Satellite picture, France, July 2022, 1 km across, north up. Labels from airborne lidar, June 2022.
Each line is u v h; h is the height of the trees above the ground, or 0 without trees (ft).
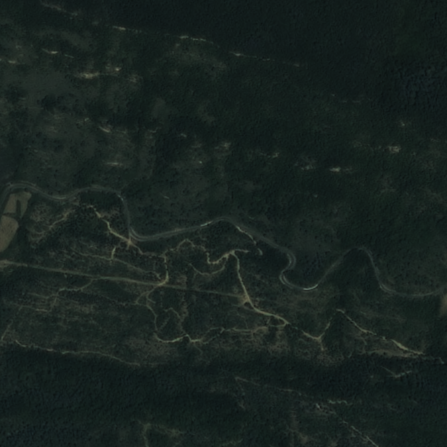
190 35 20
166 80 31
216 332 24
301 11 48
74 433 21
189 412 26
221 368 20
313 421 29
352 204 33
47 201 17
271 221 19
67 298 26
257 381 20
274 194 43
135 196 24
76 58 22
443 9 20
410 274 20
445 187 31
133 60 27
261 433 31
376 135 28
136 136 32
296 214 26
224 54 33
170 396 46
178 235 18
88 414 24
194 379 30
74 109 26
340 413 30
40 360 39
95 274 22
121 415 26
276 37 18
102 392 24
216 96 26
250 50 35
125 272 21
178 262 23
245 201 30
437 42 27
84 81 24
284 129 35
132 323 24
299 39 37
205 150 26
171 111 23
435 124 25
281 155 20
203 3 24
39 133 29
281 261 49
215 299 26
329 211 21
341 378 30
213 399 35
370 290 35
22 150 33
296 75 33
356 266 38
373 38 43
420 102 47
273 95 28
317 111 31
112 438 19
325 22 31
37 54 27
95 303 20
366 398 20
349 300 21
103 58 34
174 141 34
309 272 28
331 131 25
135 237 0
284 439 49
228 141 21
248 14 35
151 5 31
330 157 44
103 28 25
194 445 25
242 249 27
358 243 48
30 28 21
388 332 18
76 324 27
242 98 33
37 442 26
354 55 46
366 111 33
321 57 32
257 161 44
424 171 30
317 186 45
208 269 23
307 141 50
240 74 37
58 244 31
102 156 25
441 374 46
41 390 26
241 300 0
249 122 40
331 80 35
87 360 33
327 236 32
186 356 45
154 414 34
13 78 0
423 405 23
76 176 40
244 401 33
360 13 41
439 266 24
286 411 27
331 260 23
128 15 31
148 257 27
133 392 27
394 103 42
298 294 18
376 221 45
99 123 26
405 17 25
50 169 28
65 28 28
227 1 29
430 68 51
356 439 20
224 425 40
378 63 34
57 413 42
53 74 0
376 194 36
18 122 29
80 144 31
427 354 34
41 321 24
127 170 25
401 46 22
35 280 24
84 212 41
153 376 20
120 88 20
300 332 36
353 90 33
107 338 23
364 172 38
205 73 23
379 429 22
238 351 27
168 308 28
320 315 28
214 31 30
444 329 34
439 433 25
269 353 26
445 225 31
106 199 17
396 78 66
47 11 29
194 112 27
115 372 33
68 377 41
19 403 44
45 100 39
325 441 19
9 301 24
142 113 39
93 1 31
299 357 24
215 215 18
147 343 24
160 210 25
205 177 26
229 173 38
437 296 24
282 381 34
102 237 30
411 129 24
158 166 20
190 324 22
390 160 39
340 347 35
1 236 0
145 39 36
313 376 36
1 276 42
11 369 18
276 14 40
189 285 22
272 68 33
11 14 26
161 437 29
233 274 25
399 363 34
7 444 21
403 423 26
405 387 41
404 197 24
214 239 31
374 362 28
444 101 35
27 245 35
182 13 33
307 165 20
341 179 43
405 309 31
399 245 24
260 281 23
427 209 20
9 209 0
